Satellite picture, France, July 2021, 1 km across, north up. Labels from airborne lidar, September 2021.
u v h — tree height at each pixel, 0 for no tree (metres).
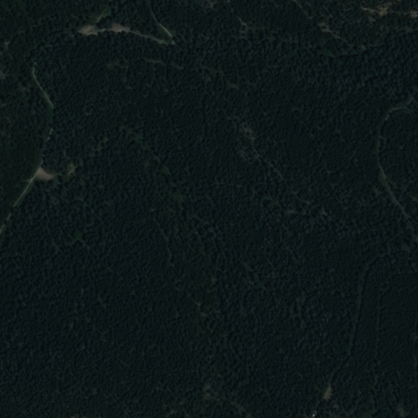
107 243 13
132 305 17
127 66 15
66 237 17
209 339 25
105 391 19
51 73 28
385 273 21
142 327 15
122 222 11
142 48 19
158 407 16
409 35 11
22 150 18
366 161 16
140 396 20
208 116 17
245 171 12
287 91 22
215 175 14
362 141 17
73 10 17
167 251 18
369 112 19
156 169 25
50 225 17
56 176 0
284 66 13
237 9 20
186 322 23
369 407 20
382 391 27
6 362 27
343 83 30
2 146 20
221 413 12
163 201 19
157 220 8
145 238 24
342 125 22
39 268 22
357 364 20
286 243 18
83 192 18
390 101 14
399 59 20
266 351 21
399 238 21
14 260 18
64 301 25
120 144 20
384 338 16
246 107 16
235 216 23
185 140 27
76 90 7
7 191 17
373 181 17
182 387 16
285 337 20
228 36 28
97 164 21
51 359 30
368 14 14
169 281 21
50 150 12
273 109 20
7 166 20
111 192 14
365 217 17
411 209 28
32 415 15
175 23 13
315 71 31
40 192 21
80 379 18
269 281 19
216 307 14
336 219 23
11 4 30
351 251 16
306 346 26
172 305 19
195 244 24
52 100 13
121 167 21
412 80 23
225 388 18
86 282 17
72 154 20
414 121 13
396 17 20
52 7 12
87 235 21
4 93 10
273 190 24
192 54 19
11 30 23
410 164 11
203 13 18
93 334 25
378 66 34
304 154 21
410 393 19
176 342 18
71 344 16
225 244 16
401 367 18
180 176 22
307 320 25
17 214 22
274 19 17
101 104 12
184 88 20
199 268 24
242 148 20
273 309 23
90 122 12
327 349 16
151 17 23
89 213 24
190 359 19
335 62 39
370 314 15
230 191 25
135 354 17
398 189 7
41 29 16
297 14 17
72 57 23
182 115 28
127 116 20
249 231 23
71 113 19
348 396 22
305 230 24
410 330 16
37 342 20
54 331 19
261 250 20
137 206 21
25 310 26
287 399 21
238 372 38
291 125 16
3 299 17
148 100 16
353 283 20
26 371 16
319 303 19
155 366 16
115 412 21
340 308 18
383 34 29
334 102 23
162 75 15
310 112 11
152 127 17
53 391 11
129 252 25
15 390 18
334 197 27
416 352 15
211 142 15
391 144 19
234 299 21
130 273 20
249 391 18
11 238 14
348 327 16
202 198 23
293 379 18
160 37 32
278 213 18
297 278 21
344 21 22
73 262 31
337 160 19
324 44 8
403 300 17
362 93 15
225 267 29
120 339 16
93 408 16
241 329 20
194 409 25
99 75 22
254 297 27
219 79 18
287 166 19
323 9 8
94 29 0
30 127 31
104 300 5
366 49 7
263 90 14
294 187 15
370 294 20
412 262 18
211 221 32
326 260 15
